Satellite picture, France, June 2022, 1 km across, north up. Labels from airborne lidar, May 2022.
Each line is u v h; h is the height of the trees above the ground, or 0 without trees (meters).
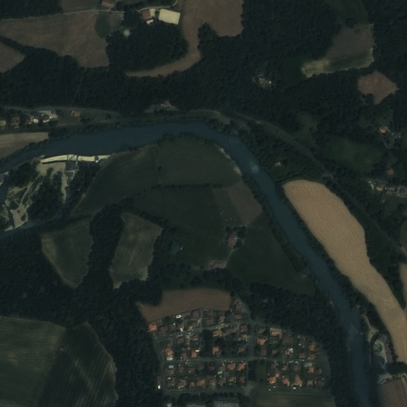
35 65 20
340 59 0
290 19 11
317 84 18
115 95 28
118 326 22
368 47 0
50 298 23
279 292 18
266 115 20
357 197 13
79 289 16
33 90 27
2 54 0
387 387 0
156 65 18
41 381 0
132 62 24
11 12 18
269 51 22
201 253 0
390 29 21
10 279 14
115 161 0
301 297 12
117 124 9
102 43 0
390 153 16
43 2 22
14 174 20
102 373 0
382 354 0
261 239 0
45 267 16
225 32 0
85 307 15
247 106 23
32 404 0
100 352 0
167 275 11
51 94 23
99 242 17
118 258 0
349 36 0
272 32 27
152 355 22
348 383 21
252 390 0
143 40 22
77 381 0
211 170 0
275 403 0
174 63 0
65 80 21
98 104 27
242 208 0
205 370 7
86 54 0
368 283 0
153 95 24
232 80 23
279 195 11
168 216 0
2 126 0
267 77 17
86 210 0
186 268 19
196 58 0
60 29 0
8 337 0
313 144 0
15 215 0
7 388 0
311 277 8
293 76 0
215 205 0
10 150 0
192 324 0
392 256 7
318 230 0
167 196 0
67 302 25
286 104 9
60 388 0
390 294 0
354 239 0
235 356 10
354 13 0
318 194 0
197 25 0
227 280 17
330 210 0
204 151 0
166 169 0
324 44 22
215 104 19
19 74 21
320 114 17
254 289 21
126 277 0
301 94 19
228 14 0
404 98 23
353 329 0
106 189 0
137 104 27
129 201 14
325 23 23
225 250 0
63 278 0
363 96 9
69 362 0
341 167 11
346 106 25
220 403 0
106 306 24
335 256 0
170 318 8
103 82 27
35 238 14
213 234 0
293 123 20
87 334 0
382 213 25
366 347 15
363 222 19
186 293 0
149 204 0
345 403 17
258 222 0
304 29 22
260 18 32
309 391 0
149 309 0
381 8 20
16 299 19
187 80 25
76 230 0
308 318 20
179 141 0
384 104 18
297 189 0
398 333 0
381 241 0
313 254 0
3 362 0
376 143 7
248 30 23
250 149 21
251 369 8
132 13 14
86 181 7
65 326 13
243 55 27
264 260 0
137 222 0
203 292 0
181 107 20
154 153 0
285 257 0
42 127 17
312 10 21
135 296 12
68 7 0
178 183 0
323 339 13
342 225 0
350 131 14
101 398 0
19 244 16
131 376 24
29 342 0
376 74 0
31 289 22
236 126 21
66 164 0
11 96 19
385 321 0
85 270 0
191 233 0
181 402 18
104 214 19
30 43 0
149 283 14
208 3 0
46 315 19
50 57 23
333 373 17
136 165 0
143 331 15
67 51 0
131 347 29
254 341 0
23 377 0
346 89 26
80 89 6
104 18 0
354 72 19
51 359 0
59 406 0
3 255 18
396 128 16
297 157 26
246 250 0
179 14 0
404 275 0
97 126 7
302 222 14
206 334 23
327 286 0
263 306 20
